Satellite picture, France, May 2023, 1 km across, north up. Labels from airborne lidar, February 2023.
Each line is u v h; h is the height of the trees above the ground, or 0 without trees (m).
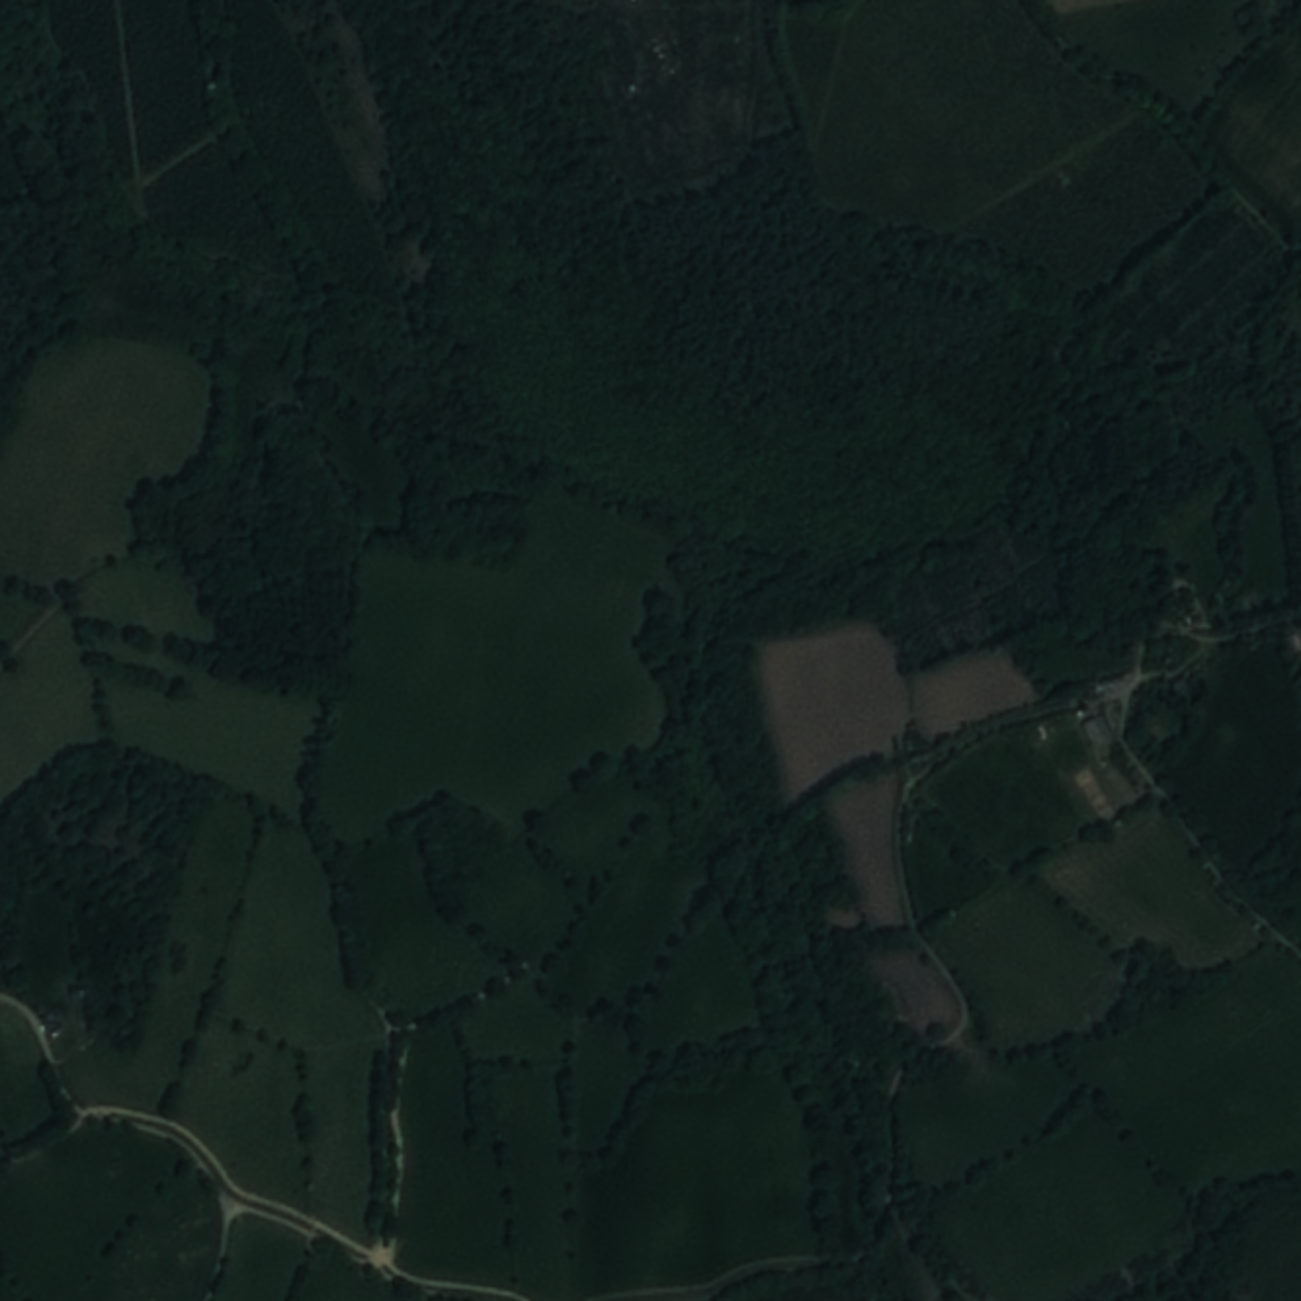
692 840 10
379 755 0
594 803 0
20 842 12
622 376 17
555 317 19
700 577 11
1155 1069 0
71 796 8
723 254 20
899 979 0
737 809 14
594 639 0
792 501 17
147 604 0
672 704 6
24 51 11
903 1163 8
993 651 15
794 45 0
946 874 0
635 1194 0
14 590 14
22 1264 0
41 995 0
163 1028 0
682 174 0
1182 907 0
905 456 17
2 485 0
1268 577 0
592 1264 0
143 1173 0
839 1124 0
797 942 16
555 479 17
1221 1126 0
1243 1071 0
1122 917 0
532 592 0
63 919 0
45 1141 13
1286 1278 0
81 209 18
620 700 0
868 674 0
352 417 18
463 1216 0
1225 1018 0
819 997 16
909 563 11
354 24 10
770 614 21
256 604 19
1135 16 0
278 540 20
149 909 9
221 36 19
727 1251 0
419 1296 14
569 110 13
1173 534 0
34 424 0
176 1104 12
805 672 0
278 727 0
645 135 0
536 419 19
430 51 11
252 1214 0
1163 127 13
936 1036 14
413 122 20
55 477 0
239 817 0
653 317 12
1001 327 17
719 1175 0
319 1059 0
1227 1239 19
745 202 15
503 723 0
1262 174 0
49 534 0
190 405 0
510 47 10
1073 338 9
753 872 9
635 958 0
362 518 17
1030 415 22
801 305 15
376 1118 9
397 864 0
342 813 0
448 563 16
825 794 15
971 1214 0
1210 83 0
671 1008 0
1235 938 0
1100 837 13
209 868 0
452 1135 0
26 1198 0
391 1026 10
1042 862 13
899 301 20
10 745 0
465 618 0
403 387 10
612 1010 16
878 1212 14
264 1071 0
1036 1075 0
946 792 0
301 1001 0
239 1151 0
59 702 0
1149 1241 0
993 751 0
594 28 8
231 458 11
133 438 0
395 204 10
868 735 0
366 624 0
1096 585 18
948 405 17
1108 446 31
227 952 0
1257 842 0
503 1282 0
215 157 6
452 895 20
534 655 0
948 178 0
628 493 18
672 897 0
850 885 11
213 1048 0
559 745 0
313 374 20
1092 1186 0
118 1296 0
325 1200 0
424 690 0
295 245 9
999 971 0
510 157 14
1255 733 0
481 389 21
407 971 0
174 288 9
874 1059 16
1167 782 10
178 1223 0
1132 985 10
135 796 11
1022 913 0
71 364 0
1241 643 8
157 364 0
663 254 18
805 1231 0
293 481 20
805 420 18
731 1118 0
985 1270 0
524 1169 0
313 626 20
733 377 15
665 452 21
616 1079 0
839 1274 8
